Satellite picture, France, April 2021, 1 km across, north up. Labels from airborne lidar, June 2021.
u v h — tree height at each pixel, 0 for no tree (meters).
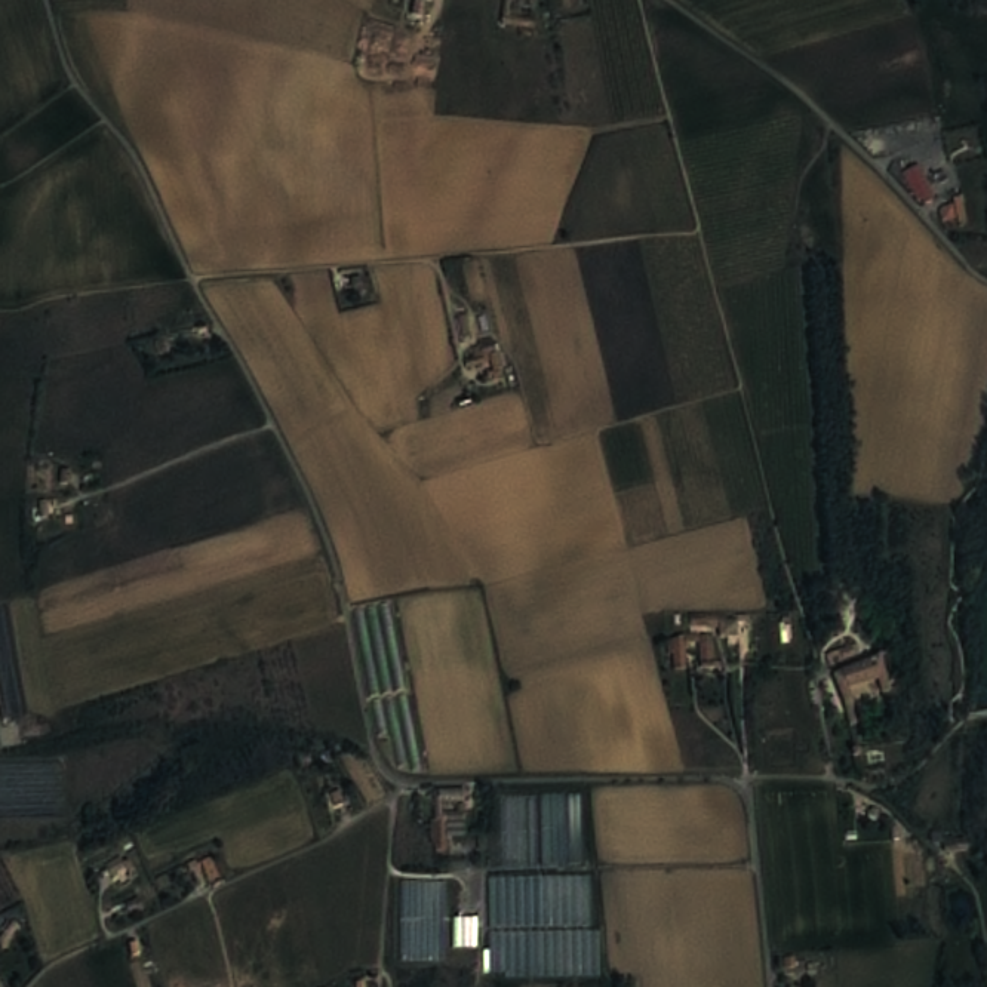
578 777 0
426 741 0
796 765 0
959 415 0
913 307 0
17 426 0
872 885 0
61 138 0
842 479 15
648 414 0
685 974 0
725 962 0
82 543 0
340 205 0
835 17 0
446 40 0
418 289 0
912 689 9
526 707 0
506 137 0
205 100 0
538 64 0
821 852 0
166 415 0
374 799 0
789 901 0
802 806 0
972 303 0
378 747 0
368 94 0
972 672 13
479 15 0
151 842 0
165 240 0
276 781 0
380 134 0
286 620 0
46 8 0
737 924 0
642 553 0
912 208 0
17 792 0
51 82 0
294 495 0
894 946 0
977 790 29
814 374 11
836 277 12
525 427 0
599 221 0
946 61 0
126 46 0
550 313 0
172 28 0
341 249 0
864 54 0
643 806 0
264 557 0
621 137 0
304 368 0
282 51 0
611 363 0
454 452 0
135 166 0
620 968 0
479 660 0
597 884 0
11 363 0
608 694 0
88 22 0
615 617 0
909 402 0
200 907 0
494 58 0
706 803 0
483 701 0
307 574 0
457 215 0
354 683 0
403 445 0
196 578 0
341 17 0
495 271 0
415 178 0
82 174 0
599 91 0
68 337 0
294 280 0
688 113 0
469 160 0
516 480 0
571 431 0
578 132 0
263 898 0
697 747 0
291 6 0
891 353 0
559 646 0
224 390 0
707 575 0
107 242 0
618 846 0
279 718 8
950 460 0
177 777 9
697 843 0
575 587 0
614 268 0
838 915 0
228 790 8
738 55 0
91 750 8
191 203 0
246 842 0
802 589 7
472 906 0
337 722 0
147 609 0
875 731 18
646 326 0
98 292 0
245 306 0
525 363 0
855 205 0
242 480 0
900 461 0
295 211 0
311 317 0
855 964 0
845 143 0
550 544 0
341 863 0
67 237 0
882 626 21
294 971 0
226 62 0
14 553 0
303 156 0
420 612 0
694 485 0
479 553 0
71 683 0
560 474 0
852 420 8
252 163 0
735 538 0
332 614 0
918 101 0
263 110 0
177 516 0
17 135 0
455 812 0
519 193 0
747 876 0
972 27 0
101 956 0
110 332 0
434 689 0
